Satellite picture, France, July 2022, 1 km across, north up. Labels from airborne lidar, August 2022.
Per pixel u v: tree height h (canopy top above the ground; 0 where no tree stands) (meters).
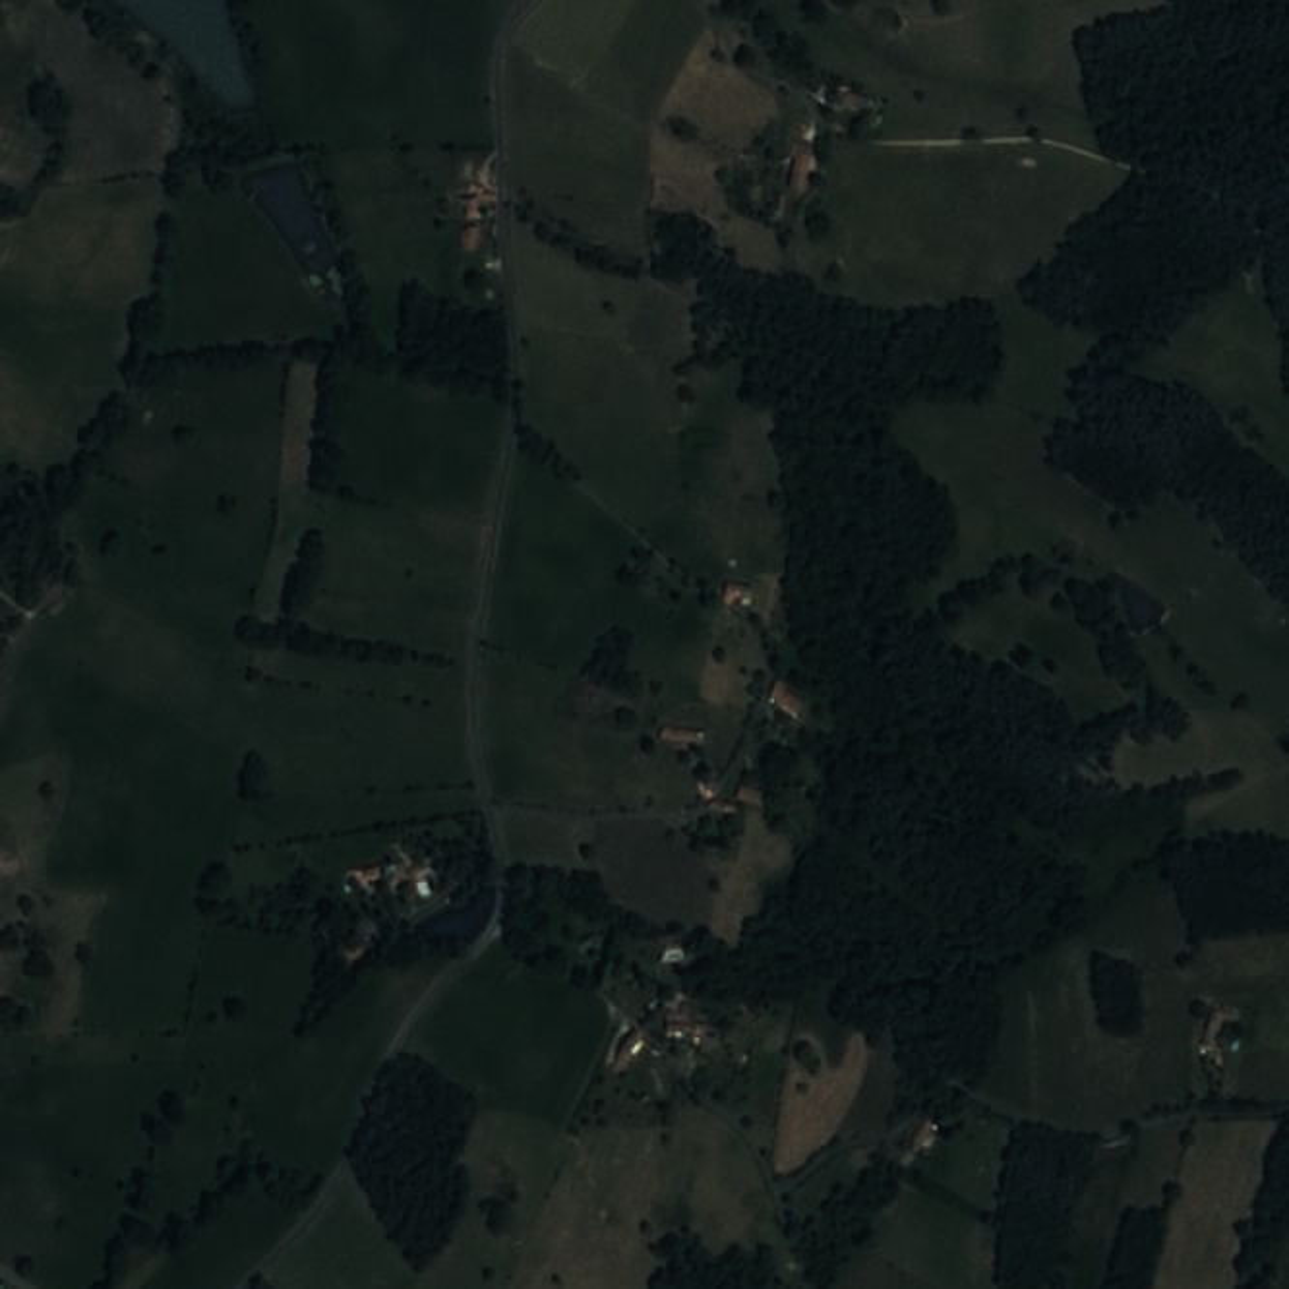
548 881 24
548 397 0
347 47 0
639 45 0
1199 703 0
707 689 0
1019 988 0
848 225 0
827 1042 0
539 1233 0
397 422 0
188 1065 0
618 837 0
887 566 17
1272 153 18
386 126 0
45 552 8
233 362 19
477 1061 0
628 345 0
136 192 0
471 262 0
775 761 19
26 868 0
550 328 0
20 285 0
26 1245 0
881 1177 14
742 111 0
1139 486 19
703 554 0
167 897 0
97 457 22
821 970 25
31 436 0
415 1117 18
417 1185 16
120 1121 0
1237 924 15
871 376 14
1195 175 23
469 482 0
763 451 0
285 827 0
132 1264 15
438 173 0
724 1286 17
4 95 0
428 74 0
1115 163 8
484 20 0
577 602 0
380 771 0
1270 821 0
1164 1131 0
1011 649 0
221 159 10
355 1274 0
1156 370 0
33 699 0
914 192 0
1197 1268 0
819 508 13
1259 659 0
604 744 0
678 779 0
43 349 0
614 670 10
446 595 0
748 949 17
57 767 0
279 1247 0
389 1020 0
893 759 16
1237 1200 0
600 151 0
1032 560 13
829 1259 14
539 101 0
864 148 0
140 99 0
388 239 0
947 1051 16
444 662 10
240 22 12
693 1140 0
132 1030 0
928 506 22
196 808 0
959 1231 0
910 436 0
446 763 0
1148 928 0
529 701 0
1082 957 0
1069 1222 14
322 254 0
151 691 0
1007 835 6
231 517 8
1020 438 0
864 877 11
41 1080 0
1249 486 20
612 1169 0
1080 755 22
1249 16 17
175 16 0
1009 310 0
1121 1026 18
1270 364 0
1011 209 0
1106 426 21
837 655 19
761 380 12
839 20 0
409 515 0
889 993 21
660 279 10
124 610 0
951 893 20
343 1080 0
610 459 0
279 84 0
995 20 0
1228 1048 8
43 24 0
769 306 13
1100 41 19
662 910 0
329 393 21
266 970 0
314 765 0
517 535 0
